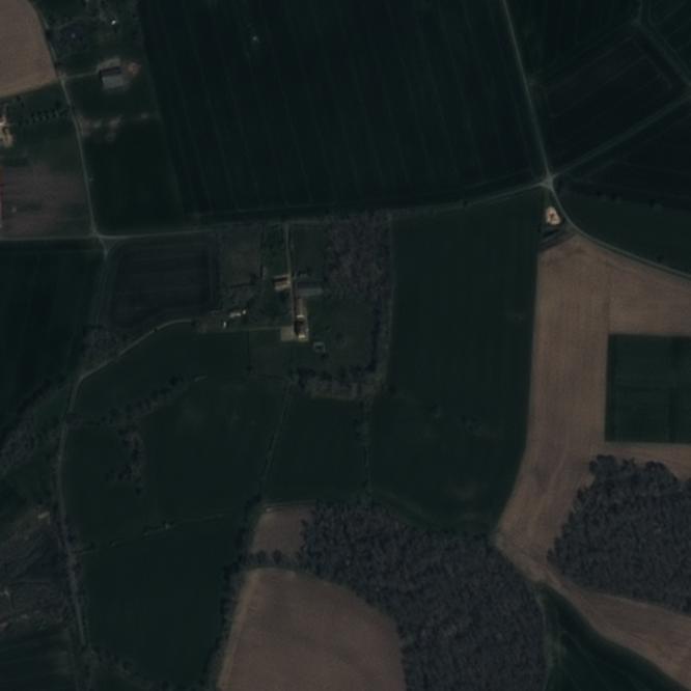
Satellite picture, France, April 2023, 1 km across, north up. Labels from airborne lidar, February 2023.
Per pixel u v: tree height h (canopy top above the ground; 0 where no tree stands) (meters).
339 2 0
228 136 0
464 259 0
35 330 0
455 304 0
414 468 0
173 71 0
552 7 0
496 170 0
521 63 0
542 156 0
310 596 0
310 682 0
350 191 0
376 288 19
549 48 0
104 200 0
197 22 0
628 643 0
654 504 9
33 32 0
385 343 19
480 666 27
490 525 0
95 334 17
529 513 0
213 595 0
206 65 0
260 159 0
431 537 13
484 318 0
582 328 0
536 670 24
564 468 0
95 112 0
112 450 0
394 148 0
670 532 23
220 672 12
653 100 0
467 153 0
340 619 0
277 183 0
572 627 0
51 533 0
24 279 0
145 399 0
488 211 0
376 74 0
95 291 0
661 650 0
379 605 19
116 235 0
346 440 0
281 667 0
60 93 0
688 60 0
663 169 0
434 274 0
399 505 0
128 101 0
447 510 0
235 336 0
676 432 0
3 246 0
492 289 0
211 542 0
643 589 22
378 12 0
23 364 0
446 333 0
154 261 0
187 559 0
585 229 0
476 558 22
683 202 0
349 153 0
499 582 21
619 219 0
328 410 0
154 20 0
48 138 0
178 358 0
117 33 22
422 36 0
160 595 0
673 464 0
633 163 0
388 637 0
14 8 0
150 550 0
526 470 0
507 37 0
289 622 0
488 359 0
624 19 0
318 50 0
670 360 0
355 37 0
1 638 0
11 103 0
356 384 22
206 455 0
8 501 0
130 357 0
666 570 24
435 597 25
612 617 0
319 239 0
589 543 21
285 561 22
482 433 18
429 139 0
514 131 0
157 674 0
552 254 0
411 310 0
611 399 0
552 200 0
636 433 0
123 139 0
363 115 0
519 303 0
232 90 0
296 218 0
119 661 13
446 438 0
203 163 0
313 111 0
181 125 0
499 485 0
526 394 0
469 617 14
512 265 0
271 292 0
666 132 0
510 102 0
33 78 0
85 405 0
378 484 0
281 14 0
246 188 0
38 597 6
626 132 0
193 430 0
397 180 0
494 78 0
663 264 12
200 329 19
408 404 0
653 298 0
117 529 0
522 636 22
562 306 0
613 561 23
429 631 24
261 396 0
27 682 0
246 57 0
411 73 0
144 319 0
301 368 0
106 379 0
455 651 23
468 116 0
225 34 0
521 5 0
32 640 0
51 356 0
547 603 0
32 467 0
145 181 0
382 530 10
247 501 0
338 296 19
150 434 0
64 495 0
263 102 0
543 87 0
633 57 0
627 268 0
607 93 0
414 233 0
